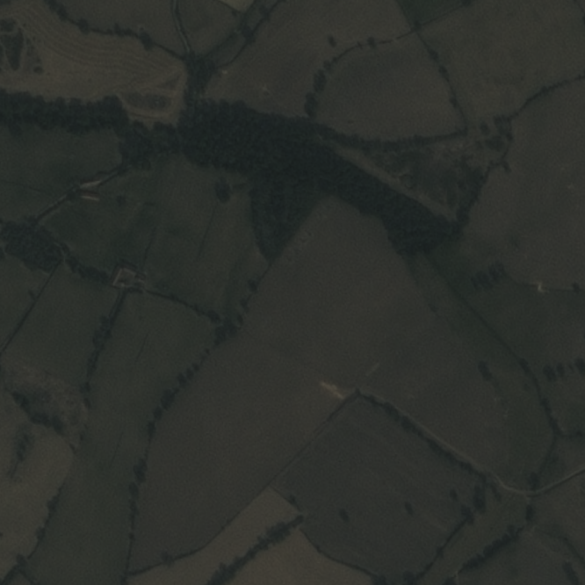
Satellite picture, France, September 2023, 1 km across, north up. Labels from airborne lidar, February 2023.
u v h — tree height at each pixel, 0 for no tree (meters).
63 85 0
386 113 0
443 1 0
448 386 0
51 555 0
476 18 0
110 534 0
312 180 19
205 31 0
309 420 0
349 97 0
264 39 0
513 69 0
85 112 17
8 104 15
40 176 0
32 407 0
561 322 0
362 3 0
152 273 0
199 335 0
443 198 0
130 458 0
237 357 0
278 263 0
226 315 0
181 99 0
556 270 0
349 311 0
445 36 0
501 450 0
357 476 0
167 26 0
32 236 16
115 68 0
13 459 0
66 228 0
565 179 0
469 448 0
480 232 0
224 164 20
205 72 16
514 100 0
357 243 0
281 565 0
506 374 0
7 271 0
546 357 0
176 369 0
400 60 0
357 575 0
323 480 0
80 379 0
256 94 0
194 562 0
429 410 0
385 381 0
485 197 0
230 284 0
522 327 0
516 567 0
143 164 20
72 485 0
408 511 11
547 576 0
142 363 0
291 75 0
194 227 0
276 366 0
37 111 22
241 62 0
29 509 0
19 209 0
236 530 0
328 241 0
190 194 0
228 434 0
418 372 0
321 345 0
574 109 0
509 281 0
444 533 0
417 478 0
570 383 0
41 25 0
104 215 0
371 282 0
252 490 0
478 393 0
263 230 20
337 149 0
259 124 19
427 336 0
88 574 0
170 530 0
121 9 0
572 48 0
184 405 0
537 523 0
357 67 0
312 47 0
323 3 0
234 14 9
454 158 0
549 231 0
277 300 0
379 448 0
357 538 0
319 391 0
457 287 0
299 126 18
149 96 0
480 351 0
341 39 0
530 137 0
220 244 0
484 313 0
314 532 0
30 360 0
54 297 0
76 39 0
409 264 0
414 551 0
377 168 0
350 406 0
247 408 0
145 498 0
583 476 0
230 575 12
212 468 0
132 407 0
